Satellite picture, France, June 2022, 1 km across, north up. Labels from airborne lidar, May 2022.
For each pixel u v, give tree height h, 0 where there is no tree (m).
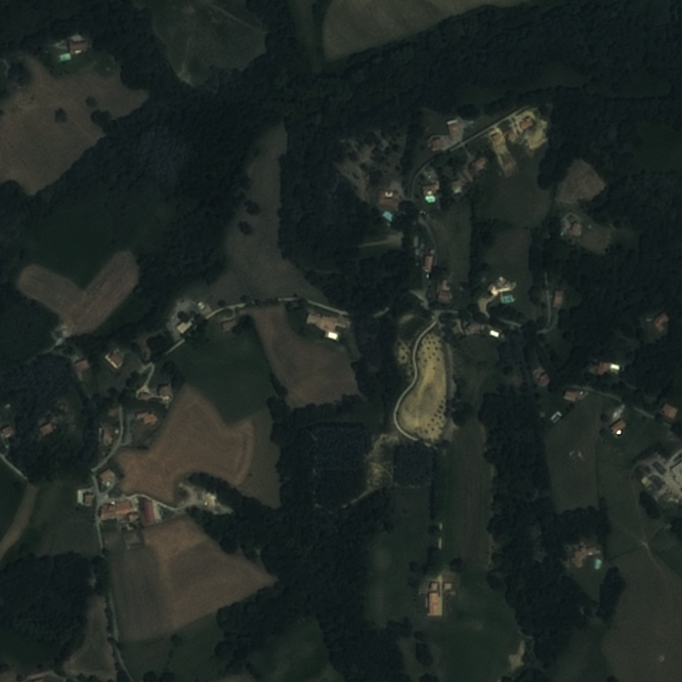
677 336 18
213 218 21
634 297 21
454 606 0
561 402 0
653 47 27
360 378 18
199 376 0
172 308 0
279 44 25
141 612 0
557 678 0
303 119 18
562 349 0
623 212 13
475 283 15
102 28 22
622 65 26
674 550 0
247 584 0
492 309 10
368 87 22
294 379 0
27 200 13
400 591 0
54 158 0
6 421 0
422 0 0
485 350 0
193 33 0
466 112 18
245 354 0
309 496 26
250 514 29
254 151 22
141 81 15
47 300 0
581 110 23
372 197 0
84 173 21
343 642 26
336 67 0
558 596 22
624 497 0
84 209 0
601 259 14
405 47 25
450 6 0
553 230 11
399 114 20
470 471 0
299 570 23
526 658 7
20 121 0
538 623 23
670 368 18
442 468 25
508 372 14
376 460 0
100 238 0
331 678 0
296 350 0
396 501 0
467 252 0
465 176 0
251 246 0
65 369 16
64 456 9
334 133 16
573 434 0
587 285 21
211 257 27
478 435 0
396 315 13
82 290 0
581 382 13
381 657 19
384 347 17
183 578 0
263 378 0
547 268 14
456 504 0
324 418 15
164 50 16
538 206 0
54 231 0
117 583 0
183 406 0
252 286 0
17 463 18
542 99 18
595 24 27
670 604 0
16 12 12
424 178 9
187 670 0
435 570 24
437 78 19
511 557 26
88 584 10
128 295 0
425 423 0
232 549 17
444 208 12
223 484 12
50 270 0
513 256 0
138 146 24
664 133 0
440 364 0
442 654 0
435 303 12
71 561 23
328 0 7
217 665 0
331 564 24
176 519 0
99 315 0
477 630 0
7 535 0
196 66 0
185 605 0
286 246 18
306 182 26
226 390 0
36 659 0
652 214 23
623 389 21
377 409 0
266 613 16
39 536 0
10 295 17
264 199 0
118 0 17
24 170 0
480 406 0
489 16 17
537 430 19
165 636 0
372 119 23
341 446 26
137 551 0
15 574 17
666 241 20
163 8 0
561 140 27
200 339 18
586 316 20
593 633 0
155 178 12
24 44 13
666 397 12
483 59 24
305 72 8
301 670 0
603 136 14
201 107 17
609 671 0
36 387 17
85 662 0
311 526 24
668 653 0
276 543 24
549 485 18
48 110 0
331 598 23
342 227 22
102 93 0
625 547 0
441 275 13
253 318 13
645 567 0
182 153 23
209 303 0
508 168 0
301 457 26
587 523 22
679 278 21
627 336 10
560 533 20
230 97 21
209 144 29
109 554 10
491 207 0
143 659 0
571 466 0
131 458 0
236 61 0
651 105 19
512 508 15
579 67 12
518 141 0
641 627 0
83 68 0
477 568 0
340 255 20
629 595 0
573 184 0
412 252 11
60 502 0
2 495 0
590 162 8
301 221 19
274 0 22
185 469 0
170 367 16
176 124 22
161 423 0
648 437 0
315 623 0
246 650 19
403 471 22
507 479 23
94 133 0
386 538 0
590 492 0
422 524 0
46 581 14
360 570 25
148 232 0
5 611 15
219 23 0
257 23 0
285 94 36
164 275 14
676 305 13
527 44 22
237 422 0
